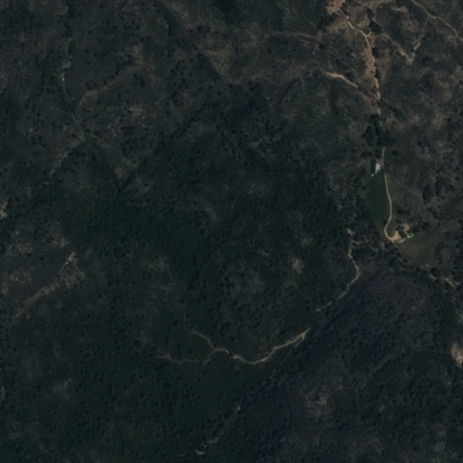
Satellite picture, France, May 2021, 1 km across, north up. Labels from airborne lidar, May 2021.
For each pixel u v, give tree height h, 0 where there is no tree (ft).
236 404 35
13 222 25
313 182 41
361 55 0
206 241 19
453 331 87
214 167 34
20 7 20
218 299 23
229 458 30
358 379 39
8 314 46
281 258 27
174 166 26
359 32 0
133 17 48
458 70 0
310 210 68
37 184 20
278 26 20
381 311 49
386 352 50
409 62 0
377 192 0
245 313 44
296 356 40
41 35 51
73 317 47
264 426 57
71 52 37
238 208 30
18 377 63
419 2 0
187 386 66
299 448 41
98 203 35
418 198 0
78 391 49
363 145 24
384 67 0
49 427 35
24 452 87
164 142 42
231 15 53
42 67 73
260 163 31
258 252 38
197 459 39
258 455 60
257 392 49
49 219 27
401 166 0
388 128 0
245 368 17
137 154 59
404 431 57
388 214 0
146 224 47
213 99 69
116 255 29
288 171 27
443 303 79
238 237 29
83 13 68
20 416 28
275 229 19
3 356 21
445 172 35
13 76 69
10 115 54
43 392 54
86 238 30
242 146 62
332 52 0
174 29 59
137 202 37
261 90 73
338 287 52
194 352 35
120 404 37
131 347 40
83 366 36
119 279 19
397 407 20
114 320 65
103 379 44
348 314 71
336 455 63
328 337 70
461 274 55
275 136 46
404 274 84
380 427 47
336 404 54
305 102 0
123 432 48
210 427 73
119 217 45
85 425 51
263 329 43
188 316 40
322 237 60
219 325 64
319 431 64
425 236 0
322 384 29
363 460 19
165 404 46
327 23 61
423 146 44
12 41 68
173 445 27
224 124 46
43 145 20
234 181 18
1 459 25
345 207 58
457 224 0
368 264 41
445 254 0
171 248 47
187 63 46
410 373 66
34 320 40
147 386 32
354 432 64
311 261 33
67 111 27
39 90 25
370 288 83
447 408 57
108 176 20
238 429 45
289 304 49
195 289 93
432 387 58
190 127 43
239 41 51
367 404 55
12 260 19
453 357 67
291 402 68
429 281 81
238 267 27
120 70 40
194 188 22
